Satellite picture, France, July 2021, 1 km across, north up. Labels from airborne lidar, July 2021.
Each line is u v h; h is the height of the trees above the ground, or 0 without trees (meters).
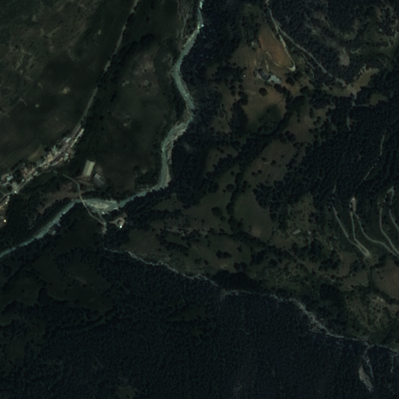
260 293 12
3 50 0
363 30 14
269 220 0
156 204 9
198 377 29
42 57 0
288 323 12
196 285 20
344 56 0
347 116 10
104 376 18
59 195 0
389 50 0
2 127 0
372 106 10
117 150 0
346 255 0
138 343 22
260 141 21
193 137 14
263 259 24
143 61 0
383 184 7
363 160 12
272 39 0
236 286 26
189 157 18
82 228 0
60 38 0
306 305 13
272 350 13
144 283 28
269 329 12
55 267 0
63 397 21
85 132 13
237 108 16
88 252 13
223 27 21
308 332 13
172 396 20
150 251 0
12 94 0
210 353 30
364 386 10
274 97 0
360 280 0
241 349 16
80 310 7
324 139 9
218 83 10
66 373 17
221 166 21
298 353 12
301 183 9
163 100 0
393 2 16
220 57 16
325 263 11
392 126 14
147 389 10
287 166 8
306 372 11
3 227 7
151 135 0
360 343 8
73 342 22
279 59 0
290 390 18
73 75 0
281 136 12
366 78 0
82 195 5
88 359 20
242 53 0
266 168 0
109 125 0
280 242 0
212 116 12
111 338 24
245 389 8
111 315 8
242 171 10
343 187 21
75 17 0
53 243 12
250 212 0
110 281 21
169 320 12
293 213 6
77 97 0
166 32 0
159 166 13
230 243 0
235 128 17
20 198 10
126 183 0
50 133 0
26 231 12
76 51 0
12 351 0
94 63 0
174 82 7
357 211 9
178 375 16
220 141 9
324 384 12
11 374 8
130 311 8
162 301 10
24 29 0
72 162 13
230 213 12
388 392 17
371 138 24
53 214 14
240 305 20
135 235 0
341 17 14
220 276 21
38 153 0
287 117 8
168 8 0
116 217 12
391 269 0
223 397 16
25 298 0
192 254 0
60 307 19
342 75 11
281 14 11
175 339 28
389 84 16
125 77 0
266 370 15
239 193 12
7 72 0
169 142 0
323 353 18
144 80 0
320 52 17
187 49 0
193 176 20
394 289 0
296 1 15
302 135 0
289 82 13
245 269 15
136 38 0
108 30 0
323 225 5
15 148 0
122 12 0
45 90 0
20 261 10
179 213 11
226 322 21
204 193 15
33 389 21
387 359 13
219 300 6
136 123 0
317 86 9
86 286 9
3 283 0
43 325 0
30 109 0
